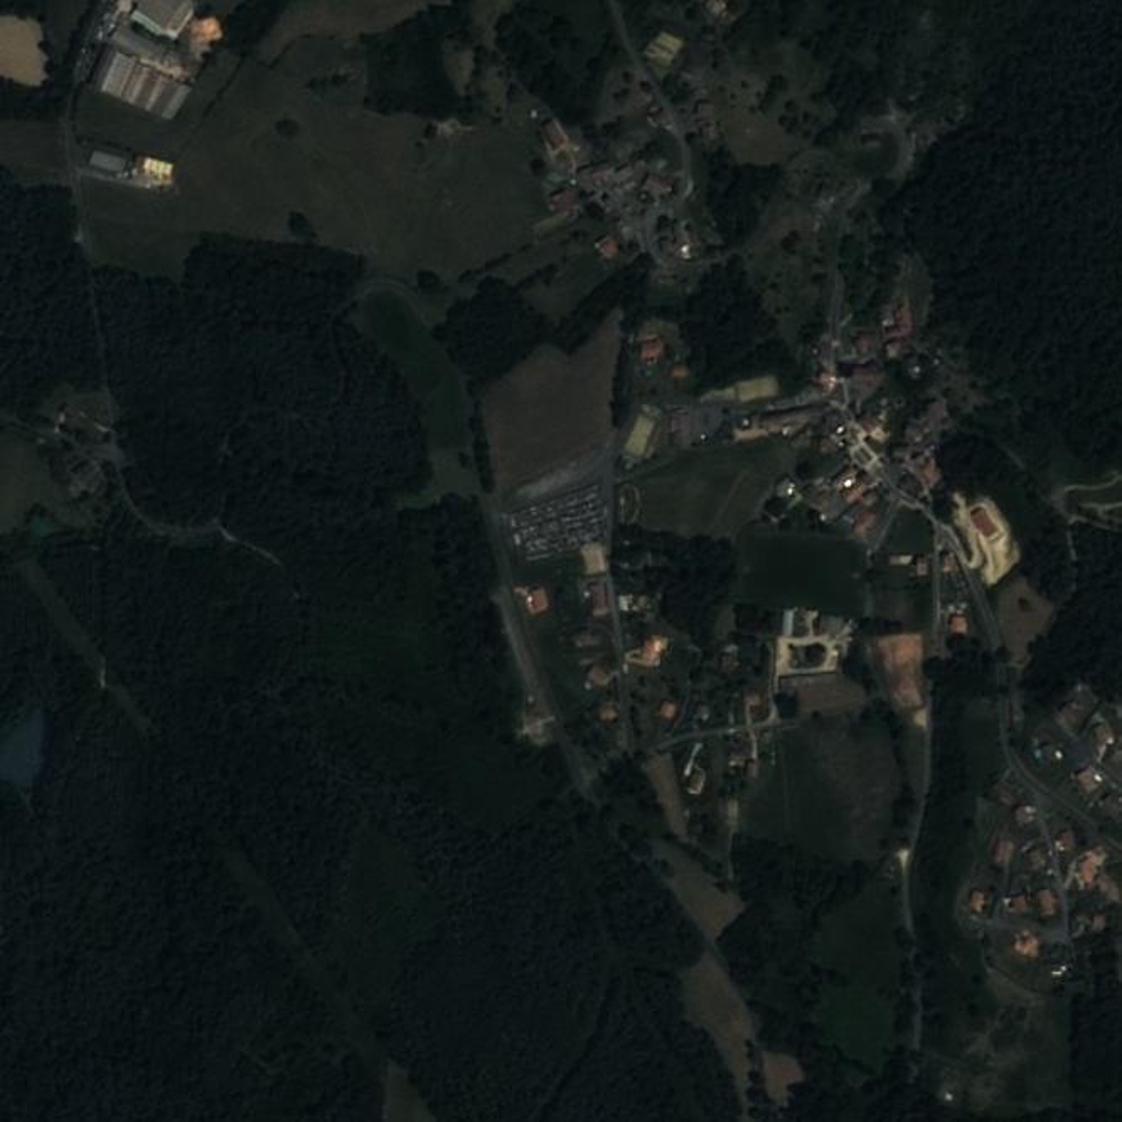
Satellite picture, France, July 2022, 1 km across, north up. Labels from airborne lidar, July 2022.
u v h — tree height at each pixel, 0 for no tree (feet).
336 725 22
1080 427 92
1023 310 78
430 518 61
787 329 0
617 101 25
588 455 0
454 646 21
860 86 57
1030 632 0
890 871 0
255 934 34
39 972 73
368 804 70
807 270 0
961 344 33
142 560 58
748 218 44
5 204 79
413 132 0
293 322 83
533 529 0
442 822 73
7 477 0
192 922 90
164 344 69
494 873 64
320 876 78
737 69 0
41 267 57
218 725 80
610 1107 54
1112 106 65
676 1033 37
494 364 21
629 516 0
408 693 18
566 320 20
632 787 23
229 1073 63
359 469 71
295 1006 25
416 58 26
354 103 0
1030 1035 0
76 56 42
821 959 0
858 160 0
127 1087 83
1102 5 68
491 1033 45
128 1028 40
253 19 26
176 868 48
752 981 48
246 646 27
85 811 43
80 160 0
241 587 29
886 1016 0
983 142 64
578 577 0
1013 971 0
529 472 0
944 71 21
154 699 56
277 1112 54
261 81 0
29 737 0
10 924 23
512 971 51
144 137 0
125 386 66
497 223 0
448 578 63
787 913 0
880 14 74
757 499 0
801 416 0
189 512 39
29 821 59
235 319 81
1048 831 0
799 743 0
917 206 47
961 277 56
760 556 0
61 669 68
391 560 32
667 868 52
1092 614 55
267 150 0
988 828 0
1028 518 0
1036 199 44
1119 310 45
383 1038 56
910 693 0
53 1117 71
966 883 0
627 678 0
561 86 52
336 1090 25
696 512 0
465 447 0
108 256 0
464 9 44
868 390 0
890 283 38
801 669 0
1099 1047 66
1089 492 0
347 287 65
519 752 32
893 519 0
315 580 33
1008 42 67
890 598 0
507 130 0
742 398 0
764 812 0
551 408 0
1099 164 39
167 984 67
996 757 0
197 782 63
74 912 36
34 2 49
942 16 27
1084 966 19
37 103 25
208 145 0
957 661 25
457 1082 64
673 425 0
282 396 73
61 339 56
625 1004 42
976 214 56
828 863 19
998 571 0
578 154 0
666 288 0
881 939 0
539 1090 47
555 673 0
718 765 0
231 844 20
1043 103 61
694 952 55
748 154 0
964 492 67
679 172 0
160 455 41
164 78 0
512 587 0
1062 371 83
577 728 23
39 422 56
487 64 44
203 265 77
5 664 55
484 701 25
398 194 0
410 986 31
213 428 41
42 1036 73
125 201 0
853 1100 23
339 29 0
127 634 38
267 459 52
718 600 36
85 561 49
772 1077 0
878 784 0
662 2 26
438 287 63
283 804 89
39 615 59
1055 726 0
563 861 73
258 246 24
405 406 84
